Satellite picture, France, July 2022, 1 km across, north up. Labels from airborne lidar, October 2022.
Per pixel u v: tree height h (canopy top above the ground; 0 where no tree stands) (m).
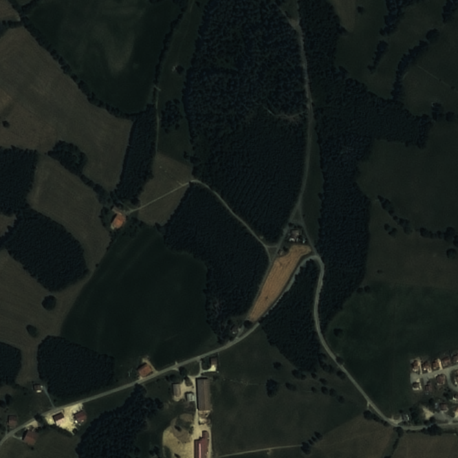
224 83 38
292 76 30
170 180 0
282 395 0
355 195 23
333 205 20
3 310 0
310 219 0
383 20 0
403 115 11
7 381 14
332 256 16
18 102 0
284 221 17
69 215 0
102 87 0
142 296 0
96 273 0
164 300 0
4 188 16
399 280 0
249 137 10
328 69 7
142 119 15
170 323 0
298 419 0
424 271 0
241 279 18
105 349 0
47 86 0
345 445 0
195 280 0
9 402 22
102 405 0
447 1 0
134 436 14
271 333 6
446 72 0
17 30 0
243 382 0
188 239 24
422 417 0
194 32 0
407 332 0
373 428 0
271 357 0
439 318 0
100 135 0
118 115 15
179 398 0
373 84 0
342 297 11
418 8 0
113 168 0
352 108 7
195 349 0
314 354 10
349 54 0
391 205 20
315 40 17
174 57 0
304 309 7
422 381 0
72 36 0
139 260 0
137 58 0
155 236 0
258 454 0
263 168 14
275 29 32
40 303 0
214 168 20
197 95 38
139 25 0
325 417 0
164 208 0
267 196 19
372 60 0
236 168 16
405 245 0
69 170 19
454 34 0
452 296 0
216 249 17
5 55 0
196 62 21
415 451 0
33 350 0
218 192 6
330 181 16
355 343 0
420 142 11
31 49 0
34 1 13
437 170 0
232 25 9
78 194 0
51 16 0
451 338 0
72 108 0
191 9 0
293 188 15
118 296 0
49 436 0
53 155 20
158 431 0
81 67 0
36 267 19
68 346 14
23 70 0
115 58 0
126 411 20
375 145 8
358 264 24
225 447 0
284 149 12
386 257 0
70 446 0
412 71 0
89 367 15
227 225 17
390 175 0
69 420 0
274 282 0
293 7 0
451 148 0
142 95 0
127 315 0
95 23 0
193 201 16
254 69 40
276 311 9
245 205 17
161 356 0
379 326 0
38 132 0
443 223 0
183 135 0
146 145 17
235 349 0
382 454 0
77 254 21
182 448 0
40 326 0
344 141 9
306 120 18
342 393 0
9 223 0
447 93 0
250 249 16
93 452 21
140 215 0
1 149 6
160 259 0
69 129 0
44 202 0
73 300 0
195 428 0
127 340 0
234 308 16
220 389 0
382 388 0
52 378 14
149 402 18
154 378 0
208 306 11
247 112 35
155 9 0
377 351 0
